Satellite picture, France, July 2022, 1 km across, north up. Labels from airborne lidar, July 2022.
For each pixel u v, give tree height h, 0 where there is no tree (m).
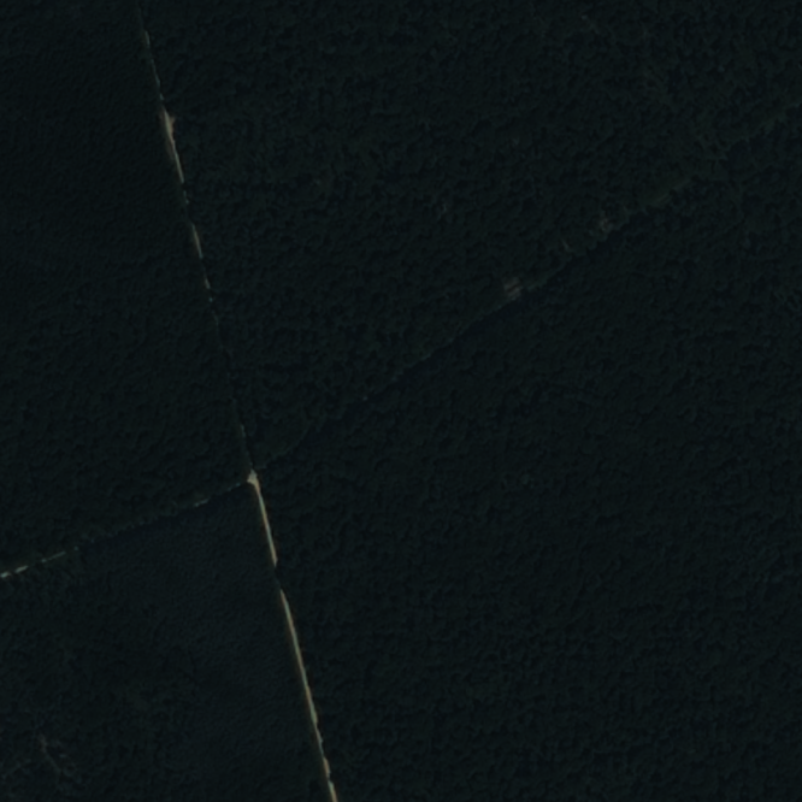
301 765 25
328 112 22
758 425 28
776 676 24
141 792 18
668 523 27
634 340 25
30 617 28
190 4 28
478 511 23
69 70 23
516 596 20
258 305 22
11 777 25
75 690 27
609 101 26
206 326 21
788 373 22
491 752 27
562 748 27
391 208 22
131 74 23
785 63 28
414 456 19
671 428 28
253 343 26
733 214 24
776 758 25
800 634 26
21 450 22
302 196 25
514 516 24
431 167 19
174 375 23
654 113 28
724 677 25
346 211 27
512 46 28
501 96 25
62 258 23
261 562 22
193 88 17
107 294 19
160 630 22
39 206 20
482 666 26
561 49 26
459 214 27
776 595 29
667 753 29
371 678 27
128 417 28
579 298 25
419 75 20
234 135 26
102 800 23
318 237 29
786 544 22
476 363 24
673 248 24
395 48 25
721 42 29
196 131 27
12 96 23
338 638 28
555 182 22
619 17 26
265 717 22
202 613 25
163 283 26
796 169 25
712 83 28
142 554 21
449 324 24
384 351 26
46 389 25
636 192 20
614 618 21
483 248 28
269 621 24
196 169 13
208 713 24
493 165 24
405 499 25
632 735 18
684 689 23
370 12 24
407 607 9
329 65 29
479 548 19
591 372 26
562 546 26
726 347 28
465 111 26
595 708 22
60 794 29
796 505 22
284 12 29
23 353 29
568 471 23
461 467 24
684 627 22
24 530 22
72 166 20
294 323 24
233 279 20
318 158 26
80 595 31
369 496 28
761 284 29
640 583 24
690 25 26
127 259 15
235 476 25
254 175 24
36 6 25
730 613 25
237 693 20
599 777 26
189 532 21
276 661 22
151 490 24
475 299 25
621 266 26
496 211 26
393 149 25
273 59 25
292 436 28
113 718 27
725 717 26
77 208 22
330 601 29
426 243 20
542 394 27
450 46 24
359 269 26
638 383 27
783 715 26
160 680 24
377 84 26
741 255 21
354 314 26
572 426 29
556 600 19
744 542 24
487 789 16
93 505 26
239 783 23
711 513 25
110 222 19
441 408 26
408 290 25
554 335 23
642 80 24
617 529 27
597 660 25
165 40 15
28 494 20
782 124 18
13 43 23
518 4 29
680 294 26
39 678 28
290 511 25
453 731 24
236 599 25
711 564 21
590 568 25
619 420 29
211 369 26
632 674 23
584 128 22
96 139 20
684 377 17
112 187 21
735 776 27
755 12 29
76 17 18
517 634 21
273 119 26
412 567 24
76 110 22
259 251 24
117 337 24
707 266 24
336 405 29
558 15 22
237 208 25
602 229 25
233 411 15
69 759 23
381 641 26
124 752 20
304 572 20
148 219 23
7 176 20
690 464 20
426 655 21
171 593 24
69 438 24
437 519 23
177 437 24
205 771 23
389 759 27
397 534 25
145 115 21
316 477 26
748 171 23
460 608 22
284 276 27
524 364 24
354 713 24
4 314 22
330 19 26
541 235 23
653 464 30
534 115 27
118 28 23
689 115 29
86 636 29
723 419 20
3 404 24
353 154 28
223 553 24
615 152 23
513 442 23
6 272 25
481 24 22
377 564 26
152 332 24
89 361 32
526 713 26
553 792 26
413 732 28
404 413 26
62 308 22
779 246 22
